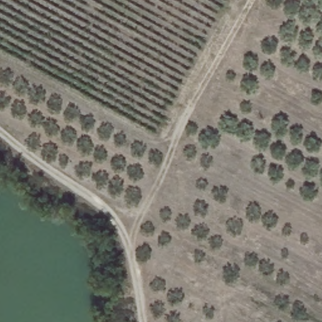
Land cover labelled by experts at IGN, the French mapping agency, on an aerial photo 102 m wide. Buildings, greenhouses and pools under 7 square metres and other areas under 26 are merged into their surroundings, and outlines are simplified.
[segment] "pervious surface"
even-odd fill
[[[174,161],[180,137],[196,107],[189,99],[155,177],[161,184],[164,184],[167,172]]]
[[[21,153],[26,161],[39,167],[73,194],[83,197],[94,208],[111,215],[111,223],[117,230],[126,255],[127,273],[132,280],[138,322],[146,322],[150,307],[145,303],[140,264],[136,259],[136,248],[140,245],[137,243],[137,236],[142,233],[141,224],[146,221],[145,216],[132,218],[131,228],[126,230],[111,206],[86,187],[79,185],[77,181],[54,169],[39,153],[29,150],[28,146],[16,140],[0,126],[0,138],[13,150]]]

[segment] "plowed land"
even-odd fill
[[[0,126],[16,140],[28,146],[29,150],[39,153],[54,169],[77,181],[79,185],[86,187],[111,206],[126,230],[131,228],[132,218],[145,216],[146,221],[141,224],[142,233],[137,236],[137,243],[140,245],[136,248],[136,259],[140,264],[145,303],[150,307],[146,322],[289,322],[292,319],[294,301],[302,302],[307,312],[318,322],[322,322],[322,180],[319,175],[304,175],[297,167],[294,170],[289,169],[286,160],[272,156],[270,147],[275,141],[282,141],[288,152],[299,150],[303,156],[317,157],[317,167],[322,170],[322,143],[318,151],[308,151],[303,143],[292,143],[289,135],[275,135],[272,119],[274,114],[286,113],[292,125],[302,125],[303,135],[307,136],[314,132],[322,140],[322,54],[313,53],[314,45],[321,36],[316,19],[311,19],[309,23],[313,33],[311,44],[301,47],[294,40],[284,42],[283,36],[279,33],[279,26],[287,20],[284,5],[273,8],[267,4],[267,0],[229,0],[230,9],[223,15],[225,23],[221,25],[219,38],[211,43],[208,40],[204,49],[197,55],[194,68],[191,68],[189,75],[182,80],[179,96],[172,102],[172,106],[167,108],[170,111],[166,116],[167,126],[162,127],[161,133],[147,131],[145,127],[133,123],[112,109],[101,106],[67,84],[50,78],[49,75],[0,49],[0,68],[11,68],[13,75],[10,78],[14,80],[18,75],[24,75],[29,80],[30,87],[34,84],[43,86],[45,98],[49,99],[53,93],[62,97],[60,111],[50,111],[47,104],[31,103],[28,94],[18,94],[13,86],[0,83]],[[291,47],[296,52],[293,57],[296,60],[299,55],[306,54],[309,58],[307,72],[283,64],[280,60],[282,47]],[[270,60],[275,65],[273,77],[269,79],[260,72],[260,67],[253,70],[258,79],[258,88],[249,94],[240,86],[245,74],[244,54],[247,52],[257,54],[262,62]],[[196,107],[180,137],[174,161],[167,172],[164,184],[161,184],[155,177],[189,99]],[[78,106],[82,114],[93,114],[94,125],[91,130],[83,130],[78,119],[65,119],[64,112],[69,103]],[[57,119],[60,127],[73,127],[79,137],[88,135],[92,138],[93,145],[104,146],[107,150],[106,160],[98,161],[94,156],[80,152],[77,142],[65,143],[60,135],[48,136],[43,126],[31,126],[28,117],[33,109],[38,109],[44,117]],[[233,112],[239,119],[249,119],[257,130],[265,128],[270,133],[267,147],[255,147],[253,141],[243,142],[238,136],[225,132],[220,136],[218,146],[203,148],[199,140],[201,130],[208,126],[218,126],[221,114],[226,111]],[[107,189],[97,187],[92,176],[98,170],[106,170],[111,179],[113,176],[121,177],[121,194],[111,195]],[[141,189],[140,204],[132,208],[127,208],[126,203],[128,186],[138,186]],[[267,229],[262,220],[250,221],[247,216],[249,201],[258,201],[263,213],[267,213],[268,210],[274,211],[278,215],[277,224]],[[259,264],[253,267],[245,265],[244,257],[247,253],[257,253],[258,258],[273,263],[273,273],[263,275],[259,272]],[[224,282],[223,268],[228,263],[238,264],[240,268],[238,278],[233,283]]]

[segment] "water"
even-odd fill
[[[93,308],[91,299],[94,296],[87,289],[92,262],[80,241],[70,236],[67,223],[57,225],[50,221],[40,221],[38,216],[19,209],[21,199],[13,194],[13,191],[0,190],[0,322],[88,322],[88,312]]]

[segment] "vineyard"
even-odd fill
[[[101,106],[112,109],[133,123],[145,127],[147,131],[161,133],[162,127],[167,126],[166,116],[170,111],[167,108],[172,106],[172,102],[179,96],[182,80],[189,75],[191,68],[194,68],[197,55],[204,49],[208,40],[211,43],[219,38],[221,25],[225,23],[223,15],[230,9],[229,0],[0,0],[0,49],[49,75],[50,78],[67,84]]]

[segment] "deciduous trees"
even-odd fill
[[[311,19],[316,19],[321,36],[314,45],[313,53],[322,54],[322,0],[267,0],[267,4],[273,8],[284,5],[287,20],[279,26],[279,33],[283,36],[284,42],[294,40],[301,47],[311,44],[313,33],[309,23]]]
[[[250,221],[262,220],[267,229],[277,224],[278,215],[274,211],[268,210],[267,213],[263,213],[258,201],[249,201],[247,216]]]
[[[47,104],[50,111],[60,111],[62,97],[53,93],[49,99],[45,98],[43,86],[34,84],[30,87],[29,80],[24,75],[18,75],[14,80],[10,78],[13,75],[11,68],[0,68],[0,83],[13,86],[18,94],[28,94],[31,103]]]
[[[258,88],[258,79],[253,70],[260,67],[260,72],[269,79],[273,77],[275,65],[270,60],[262,62],[257,54],[247,52],[244,54],[245,74],[240,86],[249,94]]]
[[[292,319],[289,322],[318,322],[307,312],[302,302],[294,301]]]
[[[33,109],[28,117],[31,126],[43,126],[48,136],[60,135],[65,143],[77,142],[80,152],[94,156],[98,161],[106,160],[107,150],[104,146],[93,145],[92,138],[88,135],[79,137],[73,127],[60,127],[57,119],[44,117],[38,109]]]
[[[117,230],[111,223],[111,215],[94,208],[83,197],[73,194],[39,167],[26,161],[21,153],[13,150],[0,138],[0,190],[13,191],[13,194],[21,199],[19,209],[38,216],[40,221],[50,221],[57,225],[67,223],[70,236],[80,241],[92,262],[87,289],[94,296],[91,299],[93,308],[88,312],[88,322],[138,322],[132,280],[127,273],[126,255]]]
[[[98,170],[92,176],[97,187],[107,189],[111,195],[121,194],[121,177],[113,176],[111,179],[106,170]]]
[[[127,208],[132,208],[140,204],[141,189],[138,186],[128,186],[126,203]]]
[[[239,119],[233,112],[226,111],[221,114],[218,126],[208,126],[201,130],[199,140],[203,148],[218,146],[220,136],[225,132],[238,136],[243,142],[253,141],[255,147],[267,147],[270,133],[265,128],[257,130],[249,119]]]
[[[273,263],[258,258],[257,253],[247,253],[244,257],[245,265],[253,267],[259,264],[259,272],[263,275],[273,273]]]
[[[322,140],[314,132],[307,136],[303,135],[302,125],[292,125],[286,113],[274,114],[272,119],[275,135],[289,135],[292,143],[303,143],[308,151],[318,151],[322,143]]]
[[[307,72],[309,58],[306,54],[299,55],[296,60],[293,57],[296,52],[291,47],[282,47],[280,60],[283,64]]]
[[[78,106],[69,103],[64,112],[65,119],[78,119],[83,130],[91,130],[94,125],[93,114],[82,114]]]
[[[275,141],[270,147],[272,156],[286,160],[289,169],[294,170],[297,167],[304,175],[319,175],[322,180],[322,170],[317,167],[317,157],[303,156],[299,150],[288,152],[282,141]]]
[[[238,278],[240,268],[238,264],[228,263],[223,268],[224,282],[233,283]]]

